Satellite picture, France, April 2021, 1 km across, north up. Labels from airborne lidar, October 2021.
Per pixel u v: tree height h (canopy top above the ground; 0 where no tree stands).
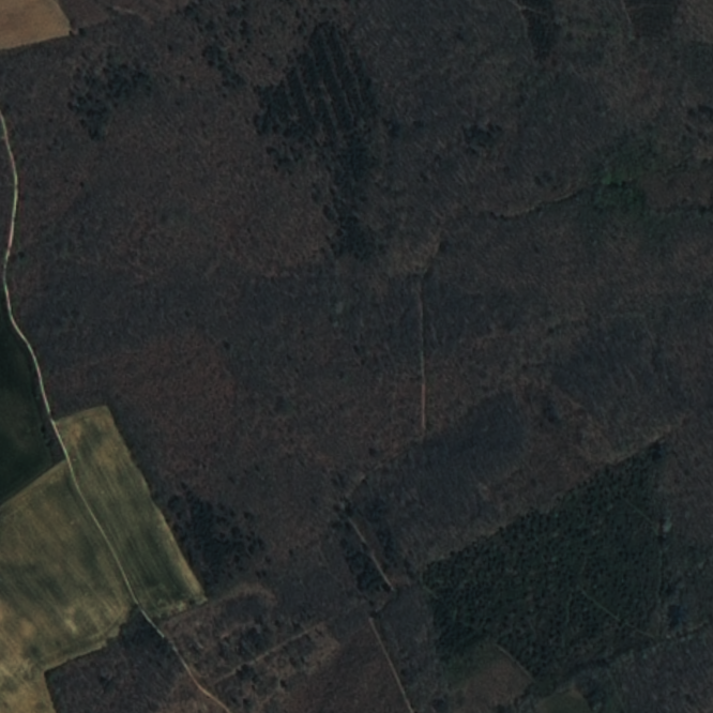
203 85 7
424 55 15
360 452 8
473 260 15
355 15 14
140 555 0
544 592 6
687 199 17
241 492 11
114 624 0
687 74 15
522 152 14
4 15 0
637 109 18
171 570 0
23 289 10
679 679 22
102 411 0
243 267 8
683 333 14
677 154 17
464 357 8
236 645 6
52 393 6
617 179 19
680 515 12
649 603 7
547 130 16
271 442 11
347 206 8
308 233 9
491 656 12
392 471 12
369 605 7
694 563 12
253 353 13
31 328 9
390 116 9
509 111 8
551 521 12
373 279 17
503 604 8
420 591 11
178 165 8
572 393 20
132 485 0
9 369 0
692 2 17
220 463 7
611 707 25
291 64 14
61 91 9
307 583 12
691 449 11
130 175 7
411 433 10
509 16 14
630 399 19
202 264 8
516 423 23
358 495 12
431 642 18
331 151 14
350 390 10
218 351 8
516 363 15
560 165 13
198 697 9
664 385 18
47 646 0
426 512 15
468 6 18
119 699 7
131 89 15
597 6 19
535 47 8
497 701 16
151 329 12
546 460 6
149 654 14
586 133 16
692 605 19
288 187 8
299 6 7
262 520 9
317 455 14
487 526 17
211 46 8
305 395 10
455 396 10
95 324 9
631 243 17
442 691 17
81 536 0
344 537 9
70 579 0
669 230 12
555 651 7
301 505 10
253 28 6
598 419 21
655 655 19
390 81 15
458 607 10
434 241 16
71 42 6
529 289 15
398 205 16
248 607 10
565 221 12
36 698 0
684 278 16
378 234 14
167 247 8
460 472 21
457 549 7
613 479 11
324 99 8
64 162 6
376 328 11
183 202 8
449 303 17
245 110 7
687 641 16
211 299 9
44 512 0
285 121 14
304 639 8
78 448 0
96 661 6
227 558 14
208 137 11
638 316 18
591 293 16
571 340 20
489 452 16
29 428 0
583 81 20
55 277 12
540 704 12
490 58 18
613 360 18
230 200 5
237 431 7
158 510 11
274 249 9
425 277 6
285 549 8
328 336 7
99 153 7
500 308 10
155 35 6
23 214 6
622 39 16
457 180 20
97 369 6
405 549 11
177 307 11
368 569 15
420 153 17
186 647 12
